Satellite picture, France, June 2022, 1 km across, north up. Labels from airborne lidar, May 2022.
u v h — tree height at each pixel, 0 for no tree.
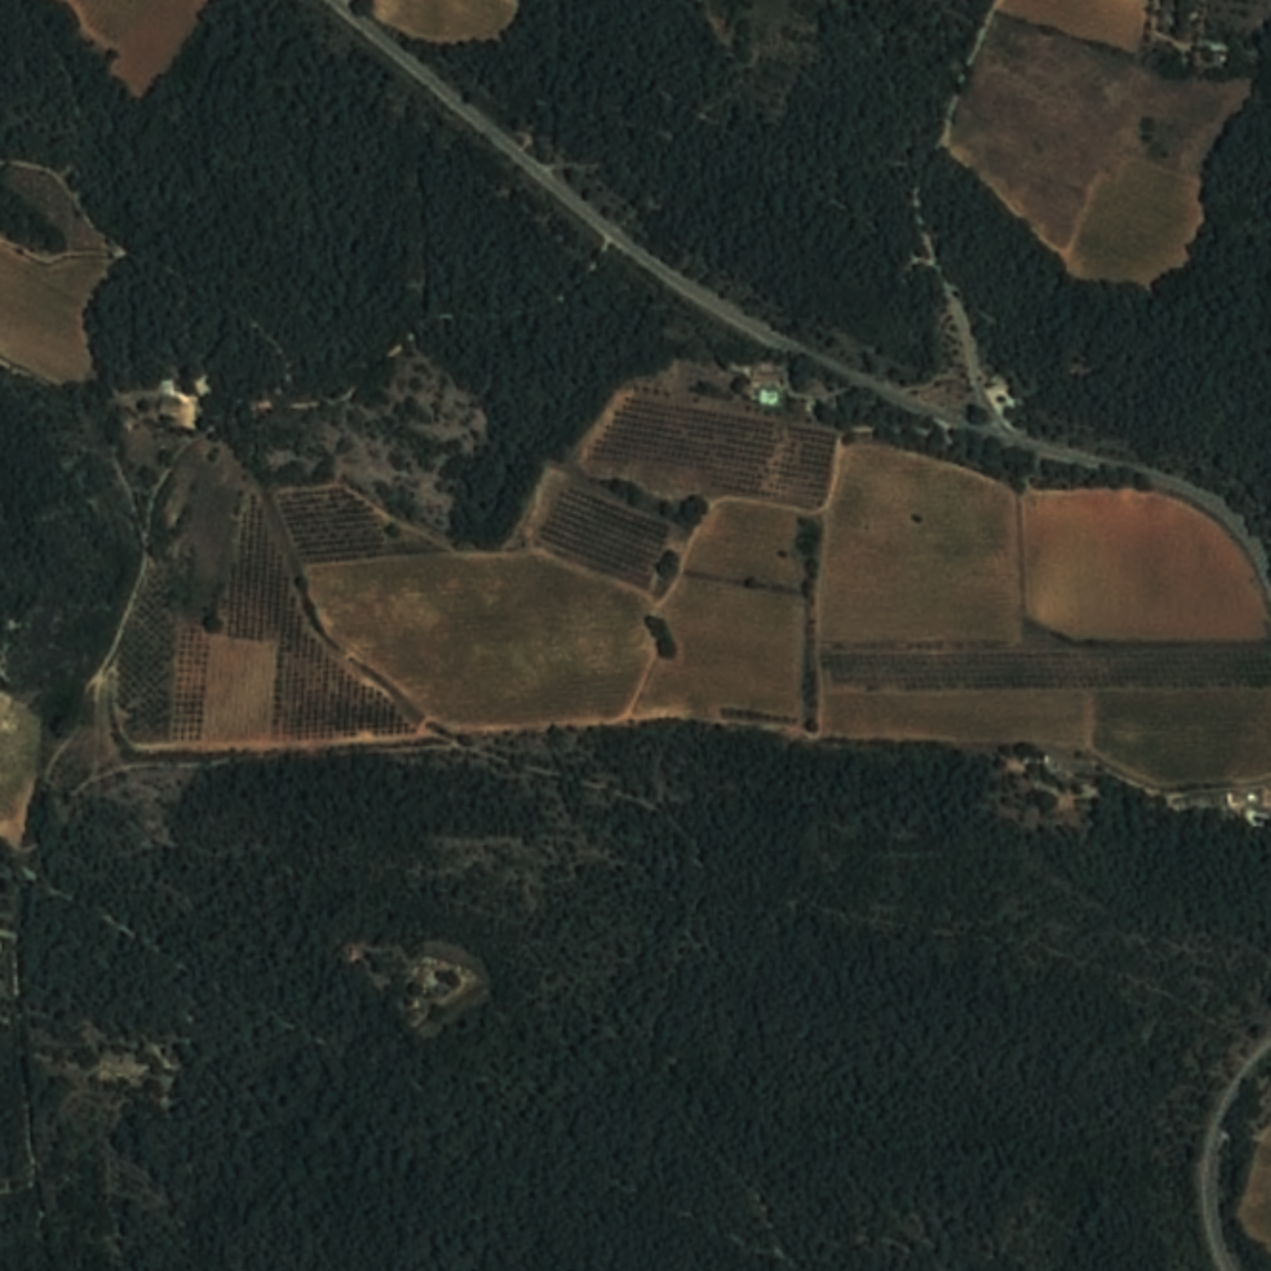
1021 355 12
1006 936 8
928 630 0
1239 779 0
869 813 15
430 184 16
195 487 8
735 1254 14
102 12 0
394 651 0
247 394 13
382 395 8
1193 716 0
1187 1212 7
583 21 14
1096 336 18
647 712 0
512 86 15
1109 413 17
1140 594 0
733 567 0
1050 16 0
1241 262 19
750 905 11
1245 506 16
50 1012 19
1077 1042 18
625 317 20
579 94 18
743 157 18
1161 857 12
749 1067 16
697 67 17
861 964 14
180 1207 16
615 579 0
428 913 8
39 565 14
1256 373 16
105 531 7
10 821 0
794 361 10
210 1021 20
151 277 16
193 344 13
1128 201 0
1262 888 17
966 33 6
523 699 0
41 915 14
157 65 0
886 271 16
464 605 0
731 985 16
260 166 12
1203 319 17
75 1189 8
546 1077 7
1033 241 16
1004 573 0
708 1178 17
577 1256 19
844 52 17
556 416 12
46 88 16
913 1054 16
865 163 15
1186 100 0
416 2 0
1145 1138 13
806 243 16
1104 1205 16
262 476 7
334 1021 16
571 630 0
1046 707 0
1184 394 16
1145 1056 9
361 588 0
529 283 18
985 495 0
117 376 15
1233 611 0
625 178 17
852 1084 19
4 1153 17
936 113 16
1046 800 21
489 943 8
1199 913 14
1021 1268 7
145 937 15
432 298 16
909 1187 18
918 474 0
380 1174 15
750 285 14
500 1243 15
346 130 17
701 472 0
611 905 7
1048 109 0
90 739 0
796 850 15
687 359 15
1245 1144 17
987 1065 18
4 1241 17
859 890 9
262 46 13
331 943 17
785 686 0
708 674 0
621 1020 19
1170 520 0
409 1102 19
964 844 19
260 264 13
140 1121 20
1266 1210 0
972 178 16
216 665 0
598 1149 19
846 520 0
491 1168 19
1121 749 0
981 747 0
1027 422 11
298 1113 6
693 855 17
